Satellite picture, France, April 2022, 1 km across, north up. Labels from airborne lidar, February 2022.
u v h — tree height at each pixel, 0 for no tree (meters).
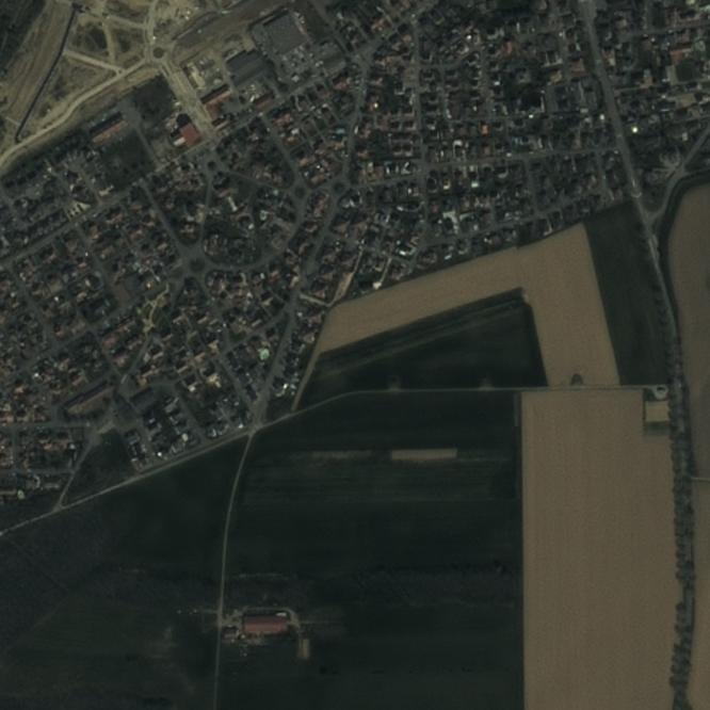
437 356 0
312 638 0
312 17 0
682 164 0
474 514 0
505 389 0
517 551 0
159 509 0
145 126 0
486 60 0
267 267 0
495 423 0
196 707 0
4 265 0
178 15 0
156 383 0
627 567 0
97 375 0
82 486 9
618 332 0
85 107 0
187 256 0
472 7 0
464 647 0
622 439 0
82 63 0
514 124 0
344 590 0
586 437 0
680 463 15
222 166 0
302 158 0
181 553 0
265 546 0
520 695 0
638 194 0
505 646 0
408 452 0
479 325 0
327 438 0
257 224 0
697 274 0
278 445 0
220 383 0
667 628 0
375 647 0
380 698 0
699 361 0
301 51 0
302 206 0
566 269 0
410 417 0
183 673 0
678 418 15
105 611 0
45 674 0
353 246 0
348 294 0
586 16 0
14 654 0
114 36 0
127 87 0
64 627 0
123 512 0
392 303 0
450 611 0
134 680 0
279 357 0
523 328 0
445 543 0
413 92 0
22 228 0
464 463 0
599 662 0
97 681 0
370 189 0
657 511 0
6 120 0
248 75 0
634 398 0
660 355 0
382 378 0
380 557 0
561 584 0
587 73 0
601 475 0
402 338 0
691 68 0
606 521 0
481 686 0
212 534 0
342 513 0
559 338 0
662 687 0
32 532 17
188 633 0
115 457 0
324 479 0
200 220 0
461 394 0
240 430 0
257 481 0
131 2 0
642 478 0
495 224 0
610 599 0
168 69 0
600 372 0
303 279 0
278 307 13
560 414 0
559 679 0
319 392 0
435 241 0
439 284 0
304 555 0
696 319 0
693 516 18
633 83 0
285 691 0
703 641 0
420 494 0
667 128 7
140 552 0
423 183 0
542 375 0
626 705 0
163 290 0
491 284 0
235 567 0
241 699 0
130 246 0
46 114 0
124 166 0
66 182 0
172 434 0
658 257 0
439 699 0
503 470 0
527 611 0
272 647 0
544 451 0
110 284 0
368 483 0
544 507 0
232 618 0
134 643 0
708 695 0
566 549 0
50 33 0
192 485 0
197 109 0
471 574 17
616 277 0
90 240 0
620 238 0
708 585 0
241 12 0
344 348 0
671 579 0
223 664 0
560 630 0
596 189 0
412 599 11
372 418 0
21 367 0
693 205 0
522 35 0
